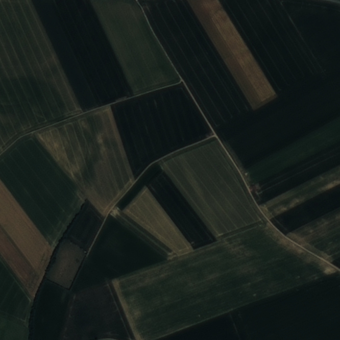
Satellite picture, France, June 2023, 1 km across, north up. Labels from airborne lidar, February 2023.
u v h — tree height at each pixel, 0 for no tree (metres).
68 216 0
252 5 0
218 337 0
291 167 0
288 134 0
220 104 0
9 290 0
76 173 0
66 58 0
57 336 0
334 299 0
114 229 0
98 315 0
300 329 0
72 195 0
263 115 0
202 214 0
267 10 0
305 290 0
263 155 0
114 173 0
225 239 0
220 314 0
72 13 0
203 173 0
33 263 0
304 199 0
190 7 0
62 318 0
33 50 0
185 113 0
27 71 0
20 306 0
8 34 0
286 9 0
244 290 0
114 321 0
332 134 0
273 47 0
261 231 0
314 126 0
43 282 7
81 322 0
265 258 0
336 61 0
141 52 0
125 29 0
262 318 0
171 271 0
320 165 0
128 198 0
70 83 0
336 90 0
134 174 0
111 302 0
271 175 0
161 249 0
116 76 0
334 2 0
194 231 0
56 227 0
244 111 0
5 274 0
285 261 0
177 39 0
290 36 0
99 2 0
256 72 0
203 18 0
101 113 0
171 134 0
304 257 0
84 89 0
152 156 0
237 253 0
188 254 0
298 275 0
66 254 0
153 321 0
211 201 0
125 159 0
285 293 0
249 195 0
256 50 0
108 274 0
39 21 0
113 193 0
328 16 0
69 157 0
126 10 0
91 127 0
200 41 0
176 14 0
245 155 0
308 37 0
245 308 0
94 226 0
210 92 0
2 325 0
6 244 0
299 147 0
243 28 0
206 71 0
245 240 0
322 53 0
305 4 0
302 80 0
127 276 0
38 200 0
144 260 0
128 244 0
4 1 0
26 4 0
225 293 0
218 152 0
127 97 0
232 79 0
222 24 0
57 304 0
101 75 0
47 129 0
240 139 0
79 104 0
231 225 0
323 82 0
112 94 0
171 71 0
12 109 0
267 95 0
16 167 0
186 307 0
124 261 0
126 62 0
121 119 0
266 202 0
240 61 0
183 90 0
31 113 0
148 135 0
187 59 0
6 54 0
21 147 0
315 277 0
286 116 0
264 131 0
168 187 0
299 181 0
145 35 0
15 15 0
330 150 0
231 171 0
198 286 0
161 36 0
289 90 0
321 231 0
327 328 0
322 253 0
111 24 0
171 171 0
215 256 0
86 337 0
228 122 0
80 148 0
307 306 0
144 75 0
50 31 0
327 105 0
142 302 0
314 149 0
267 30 0
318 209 0
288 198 0
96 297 0
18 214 0
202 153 0
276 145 0
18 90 0
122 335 0
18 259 0
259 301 0
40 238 0
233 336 0
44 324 0
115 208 0
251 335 0
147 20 0
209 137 0
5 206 0
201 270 0
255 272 0
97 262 0
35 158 0
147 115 0
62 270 0
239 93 0
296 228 0
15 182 0
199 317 0
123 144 0
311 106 0
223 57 0
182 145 0
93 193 0
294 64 0
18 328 0
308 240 0
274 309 0
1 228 0
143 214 0
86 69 0
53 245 0
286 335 0
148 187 0
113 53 0
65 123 0
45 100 0
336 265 0
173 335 0
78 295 0
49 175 0
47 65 0
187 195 0
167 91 0
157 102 0
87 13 0
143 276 0
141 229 0
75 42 0
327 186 0
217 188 0
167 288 0
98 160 0
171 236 0
